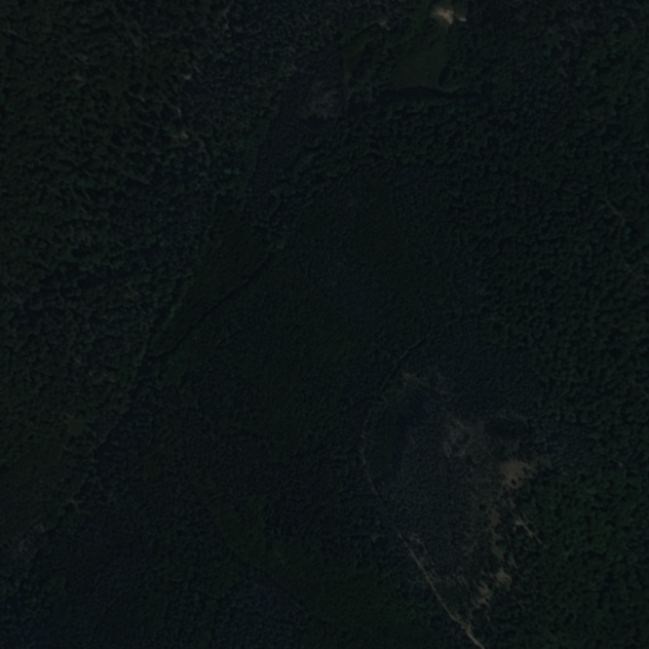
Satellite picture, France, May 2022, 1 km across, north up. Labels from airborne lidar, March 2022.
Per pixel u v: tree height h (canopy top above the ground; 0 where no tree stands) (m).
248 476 24
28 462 23
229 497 29
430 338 15
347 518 21
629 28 44
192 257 29
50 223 33
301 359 16
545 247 32
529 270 30
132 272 31
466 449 20
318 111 24
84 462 18
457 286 21
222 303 19
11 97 36
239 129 18
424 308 18
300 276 17
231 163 28
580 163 37
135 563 26
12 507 24
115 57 31
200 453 23
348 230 20
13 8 31
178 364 19
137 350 31
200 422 28
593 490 29
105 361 34
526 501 10
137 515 23
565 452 26
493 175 30
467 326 23
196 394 21
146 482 21
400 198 25
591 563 32
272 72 23
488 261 24
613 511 31
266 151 26
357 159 28
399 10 29
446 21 0
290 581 21
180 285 35
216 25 21
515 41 26
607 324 37
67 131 39
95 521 24
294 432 16
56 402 31
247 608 31
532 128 25
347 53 19
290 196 28
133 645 20
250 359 16
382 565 24
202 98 34
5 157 33
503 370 25
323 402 13
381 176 21
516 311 25
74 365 25
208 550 23
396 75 0
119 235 29
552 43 0
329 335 17
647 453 30
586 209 33
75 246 32
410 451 25
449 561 24
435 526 30
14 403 26
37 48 39
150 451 22
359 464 26
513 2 22
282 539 19
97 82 35
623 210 35
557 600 28
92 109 34
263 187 26
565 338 26
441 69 0
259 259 12
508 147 32
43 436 29
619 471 31
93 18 43
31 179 29
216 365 18
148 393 20
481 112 26
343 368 16
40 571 22
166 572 21
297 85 26
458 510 23
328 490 18
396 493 24
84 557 19
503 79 28
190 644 24
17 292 29
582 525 32
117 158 33
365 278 19
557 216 33
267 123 20
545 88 24
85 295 39
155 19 35
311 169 29
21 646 49
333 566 21
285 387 15
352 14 27
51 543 20
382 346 20
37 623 27
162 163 22
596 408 31
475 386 24
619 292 38
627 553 27
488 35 25
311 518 24
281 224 29
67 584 24
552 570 28
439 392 26
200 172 28
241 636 28
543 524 27
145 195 31
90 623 25
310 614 22
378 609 16
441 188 21
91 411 31
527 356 25
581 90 34
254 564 19
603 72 25
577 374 28
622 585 30
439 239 19
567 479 26
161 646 17
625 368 37
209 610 19
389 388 15
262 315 19
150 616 19
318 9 28
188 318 12
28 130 36
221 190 30
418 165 24
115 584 24
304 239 19
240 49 36
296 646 29
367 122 33
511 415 24
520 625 26
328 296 20
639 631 32
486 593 0
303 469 20
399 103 29
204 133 30
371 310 20
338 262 20
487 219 32
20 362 36
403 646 16
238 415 19
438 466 22
